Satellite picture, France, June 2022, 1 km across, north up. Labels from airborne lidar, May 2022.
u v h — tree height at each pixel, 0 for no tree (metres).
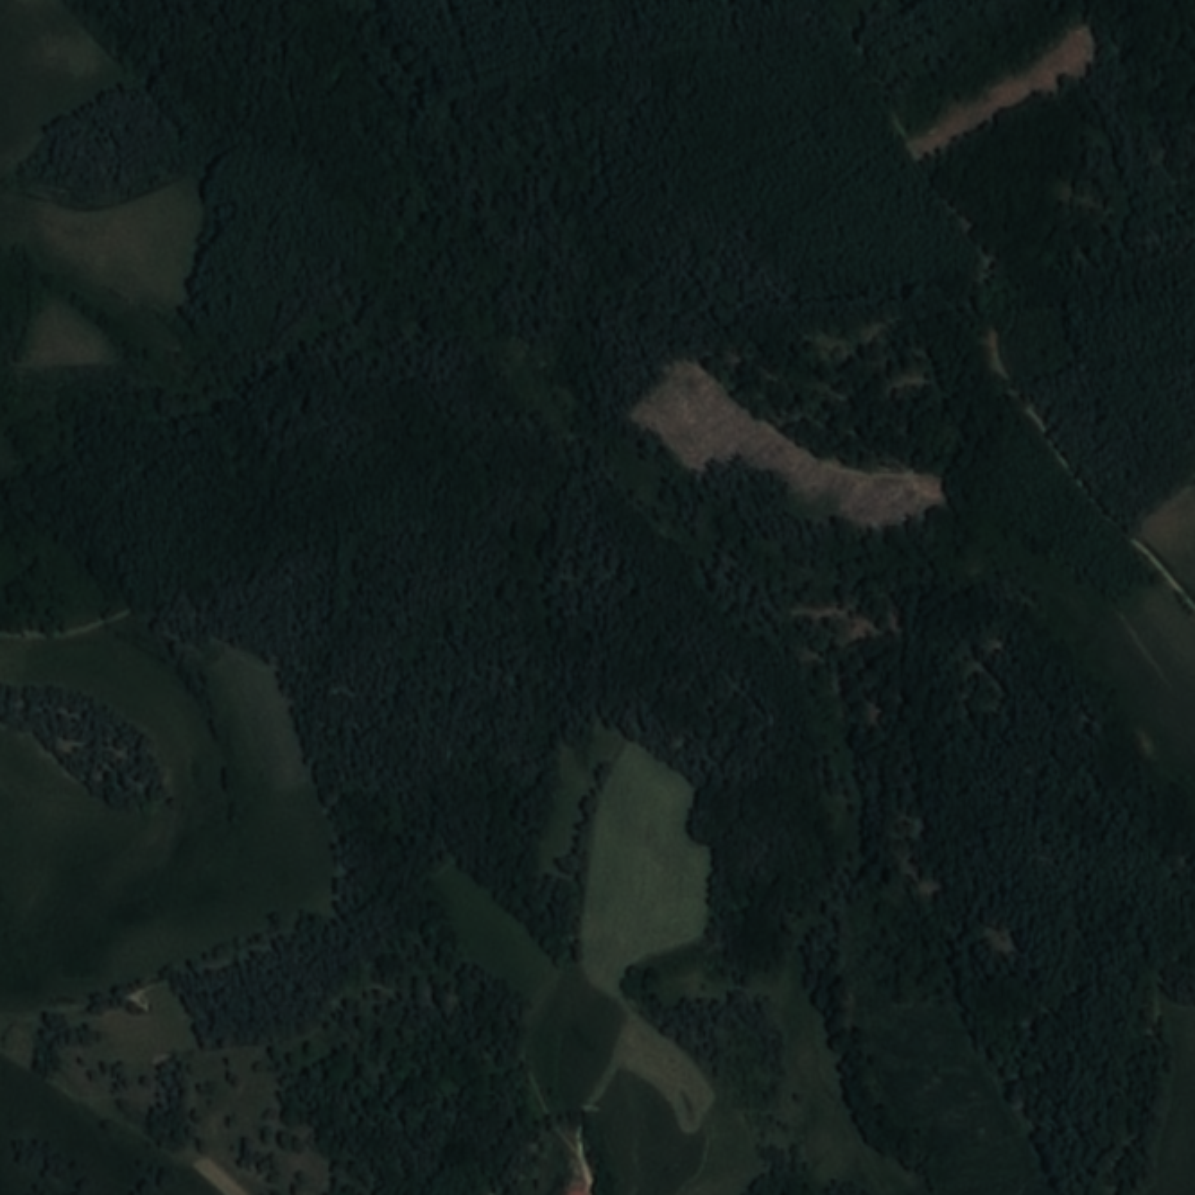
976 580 6
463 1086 12
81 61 0
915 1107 0
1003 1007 22
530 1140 15
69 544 10
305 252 33
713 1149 0
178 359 6
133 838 0
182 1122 15
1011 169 19
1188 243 17
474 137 9
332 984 21
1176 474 23
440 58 29
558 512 20
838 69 17
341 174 18
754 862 18
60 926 0
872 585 21
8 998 0
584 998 0
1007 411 22
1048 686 31
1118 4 23
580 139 13
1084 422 21
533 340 18
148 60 15
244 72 21
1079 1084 35
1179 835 24
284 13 12
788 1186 18
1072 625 0
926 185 16
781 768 20
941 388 10
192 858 0
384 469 24
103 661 0
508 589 23
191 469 19
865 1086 25
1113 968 30
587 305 13
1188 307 24
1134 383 26
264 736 0
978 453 16
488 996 12
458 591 18
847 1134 0
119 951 0
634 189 26
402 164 21
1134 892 32
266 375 11
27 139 0
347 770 20
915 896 12
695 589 25
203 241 11
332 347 10
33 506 24
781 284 22
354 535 23
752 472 15
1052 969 32
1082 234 18
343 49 17
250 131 22
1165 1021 8
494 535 19
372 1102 15
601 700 13
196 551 19
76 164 18
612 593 20
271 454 22
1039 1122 14
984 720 21
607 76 17
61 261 0
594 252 13
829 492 0
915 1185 0
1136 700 0
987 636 29
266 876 0
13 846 0
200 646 9
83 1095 0
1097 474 14
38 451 6
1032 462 15
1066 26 9
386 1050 12
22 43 0
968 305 23
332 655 13
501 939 0
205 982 20
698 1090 0
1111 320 24
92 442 15
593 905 0
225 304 25
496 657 17
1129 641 0
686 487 8
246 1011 14
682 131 23
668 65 18
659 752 14
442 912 20
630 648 19
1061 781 32
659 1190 0
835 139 21
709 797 18
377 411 25
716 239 20
